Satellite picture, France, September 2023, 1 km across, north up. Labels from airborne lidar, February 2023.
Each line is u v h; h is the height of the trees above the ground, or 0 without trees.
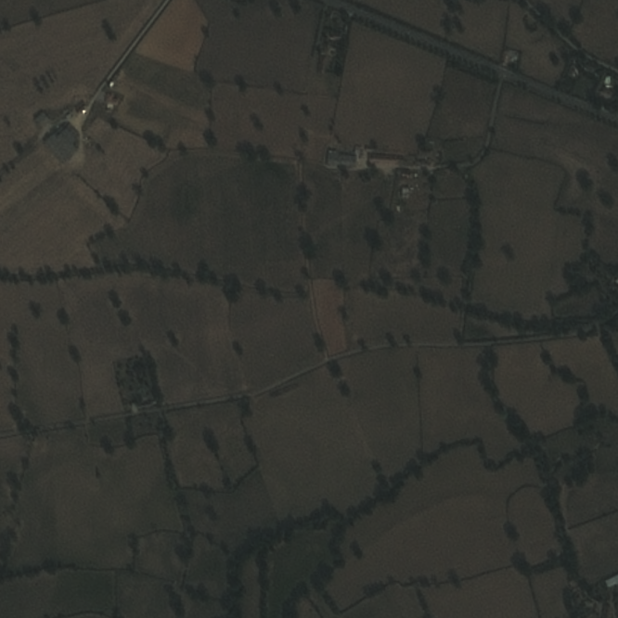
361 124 0
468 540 0
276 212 0
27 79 0
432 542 0
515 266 0
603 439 6
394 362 0
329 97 0
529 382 0
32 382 0
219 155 0
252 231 0
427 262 17
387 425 0
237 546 0
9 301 0
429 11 0
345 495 0
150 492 0
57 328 0
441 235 0
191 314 0
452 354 0
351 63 0
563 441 0
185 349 0
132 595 0
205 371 0
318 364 0
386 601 0
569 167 0
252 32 0
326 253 0
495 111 0
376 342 0
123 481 0
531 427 0
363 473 0
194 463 0
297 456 0
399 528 0
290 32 0
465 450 0
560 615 0
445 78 0
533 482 0
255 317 0
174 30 0
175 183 0
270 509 0
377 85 0
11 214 0
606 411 11
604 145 0
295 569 0
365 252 0
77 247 0
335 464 0
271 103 0
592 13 0
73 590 0
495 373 0
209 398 0
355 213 0
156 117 0
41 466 0
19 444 0
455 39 0
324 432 0
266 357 0
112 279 0
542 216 0
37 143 0
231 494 0
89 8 0
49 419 0
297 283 0
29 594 0
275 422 0
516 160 0
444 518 0
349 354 0
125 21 0
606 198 15
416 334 0
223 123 0
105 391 0
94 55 0
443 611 0
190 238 0
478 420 0
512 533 18
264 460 0
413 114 0
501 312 0
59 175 0
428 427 0
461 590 0
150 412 0
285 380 0
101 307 0
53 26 0
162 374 0
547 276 0
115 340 0
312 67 0
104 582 0
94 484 0
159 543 0
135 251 0
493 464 9
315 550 0
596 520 0
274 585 0
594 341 0
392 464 0
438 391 0
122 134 0
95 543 0
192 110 0
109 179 0
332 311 0
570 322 10
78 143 0
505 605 0
